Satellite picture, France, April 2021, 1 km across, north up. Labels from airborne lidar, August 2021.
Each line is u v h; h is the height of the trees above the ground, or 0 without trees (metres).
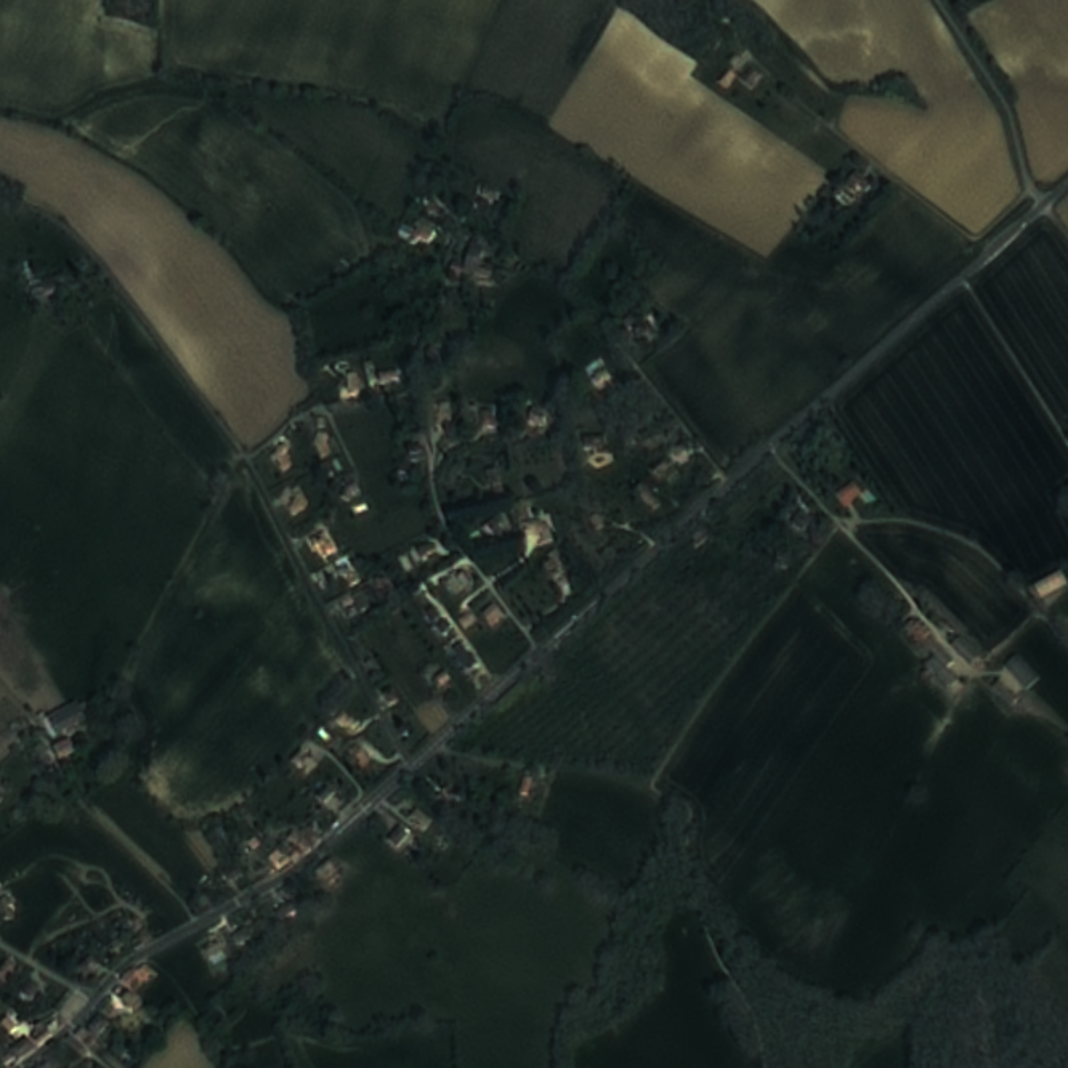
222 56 0
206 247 0
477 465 7
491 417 0
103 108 0
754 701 0
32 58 0
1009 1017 10
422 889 0
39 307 14
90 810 0
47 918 0
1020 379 0
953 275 0
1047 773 0
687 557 11
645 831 0
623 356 20
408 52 0
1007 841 0
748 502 0
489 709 15
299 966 0
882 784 0
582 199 0
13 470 0
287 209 0
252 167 0
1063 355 0
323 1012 8
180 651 0
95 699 10
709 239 0
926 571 0
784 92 11
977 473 0
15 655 0
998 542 0
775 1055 15
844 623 0
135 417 0
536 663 9
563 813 0
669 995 0
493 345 0
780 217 0
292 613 0
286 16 0
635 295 17
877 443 0
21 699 0
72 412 0
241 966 18
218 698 0
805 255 0
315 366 18
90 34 0
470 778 8
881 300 0
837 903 0
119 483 0
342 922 0
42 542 0
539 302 0
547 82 0
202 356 0
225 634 0
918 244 0
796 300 0
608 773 16
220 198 0
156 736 0
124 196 0
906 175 0
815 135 0
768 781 0
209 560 0
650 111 0
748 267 0
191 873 0
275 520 0
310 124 0
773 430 0
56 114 0
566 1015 19
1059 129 0
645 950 22
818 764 0
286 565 0
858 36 0
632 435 17
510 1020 0
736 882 0
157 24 7
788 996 22
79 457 0
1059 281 0
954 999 22
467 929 0
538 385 0
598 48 0
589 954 0
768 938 0
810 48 0
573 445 18
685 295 0
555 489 9
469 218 15
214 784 0
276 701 0
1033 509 0
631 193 7
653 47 0
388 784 0
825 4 0
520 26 0
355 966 0
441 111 0
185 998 0
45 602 0
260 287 0
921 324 0
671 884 16
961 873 0
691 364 0
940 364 0
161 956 0
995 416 0
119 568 0
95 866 0
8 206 12
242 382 0
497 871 13
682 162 0
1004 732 0
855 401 0
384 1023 12
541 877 10
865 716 0
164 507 0
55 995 6
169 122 0
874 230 0
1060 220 0
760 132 0
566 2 0
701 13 10
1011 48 0
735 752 0
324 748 0
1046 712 0
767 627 0
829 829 0
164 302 0
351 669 0
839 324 0
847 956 0
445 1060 0
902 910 0
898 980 15
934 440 0
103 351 0
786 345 0
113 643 0
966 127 0
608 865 0
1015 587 16
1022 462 0
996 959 17
